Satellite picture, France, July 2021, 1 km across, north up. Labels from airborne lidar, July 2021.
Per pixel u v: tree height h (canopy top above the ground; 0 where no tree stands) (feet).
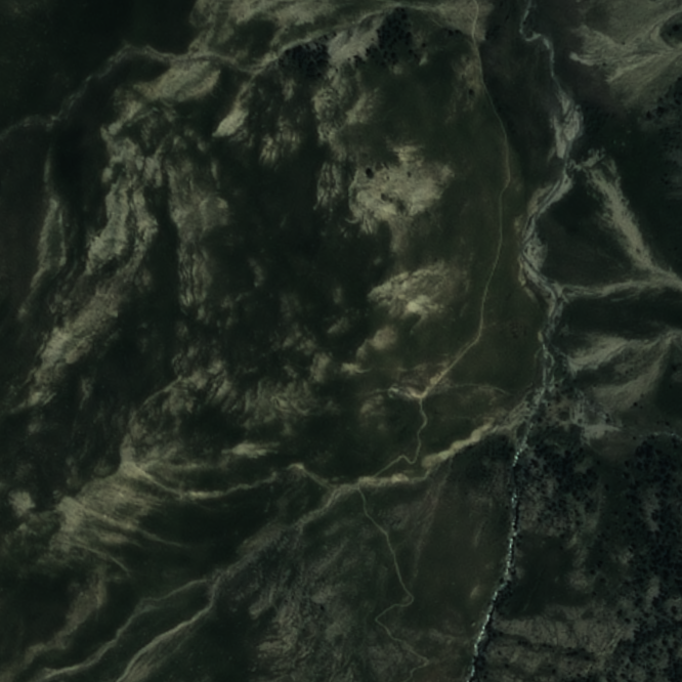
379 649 0
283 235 0
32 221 0
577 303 0
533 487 0
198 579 0
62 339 0
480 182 0
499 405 0
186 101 0
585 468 0
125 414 0
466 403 0
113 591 0
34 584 0
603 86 0
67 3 0
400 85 0
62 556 0
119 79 0
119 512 0
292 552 0
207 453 0
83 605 0
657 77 0
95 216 0
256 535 0
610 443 0
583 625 0
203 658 0
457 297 0
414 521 0
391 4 0
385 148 0
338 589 0
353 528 0
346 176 0
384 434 0
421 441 0
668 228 0
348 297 0
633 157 0
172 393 0
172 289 0
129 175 0
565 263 0
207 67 0
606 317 0
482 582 0
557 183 0
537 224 0
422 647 0
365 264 0
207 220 0
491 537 0
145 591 0
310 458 0
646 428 0
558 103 0
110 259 0
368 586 0
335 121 0
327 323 0
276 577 0
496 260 0
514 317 0
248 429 0
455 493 0
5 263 0
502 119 0
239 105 0
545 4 0
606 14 0
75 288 0
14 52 0
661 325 0
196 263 0
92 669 0
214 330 0
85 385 0
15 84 0
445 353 0
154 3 0
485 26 0
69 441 0
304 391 0
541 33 0
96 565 0
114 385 0
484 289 0
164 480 0
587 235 0
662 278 0
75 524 0
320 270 0
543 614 0
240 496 0
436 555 0
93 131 0
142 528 0
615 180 0
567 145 0
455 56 0
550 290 0
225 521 0
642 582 33
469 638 0
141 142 0
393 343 0
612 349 0
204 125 0
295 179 0
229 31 0
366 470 0
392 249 0
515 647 0
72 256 0
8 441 0
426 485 0
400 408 0
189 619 0
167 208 0
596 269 0
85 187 0
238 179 0
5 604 0
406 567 0
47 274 0
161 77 0
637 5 0
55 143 0
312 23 0
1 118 0
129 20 0
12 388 0
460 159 0
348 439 0
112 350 0
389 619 0
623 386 0
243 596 0
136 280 0
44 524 0
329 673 0
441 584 0
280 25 0
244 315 0
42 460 0
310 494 0
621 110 0
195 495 0
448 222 0
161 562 0
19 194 0
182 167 0
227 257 0
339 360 0
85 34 0
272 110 0
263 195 0
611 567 0
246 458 0
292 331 0
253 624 0
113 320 0
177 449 0
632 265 0
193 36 0
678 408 0
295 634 0
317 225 0
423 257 0
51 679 0
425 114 0
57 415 0
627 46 0
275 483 0
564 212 0
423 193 0
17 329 0
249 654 0
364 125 0
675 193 0
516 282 0
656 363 0
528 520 0
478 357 0
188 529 0
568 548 0
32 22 0
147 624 0
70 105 0
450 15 0
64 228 0
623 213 0
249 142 0
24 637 0
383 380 0
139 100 0
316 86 0
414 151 0
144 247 0
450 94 0
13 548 0
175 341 0
